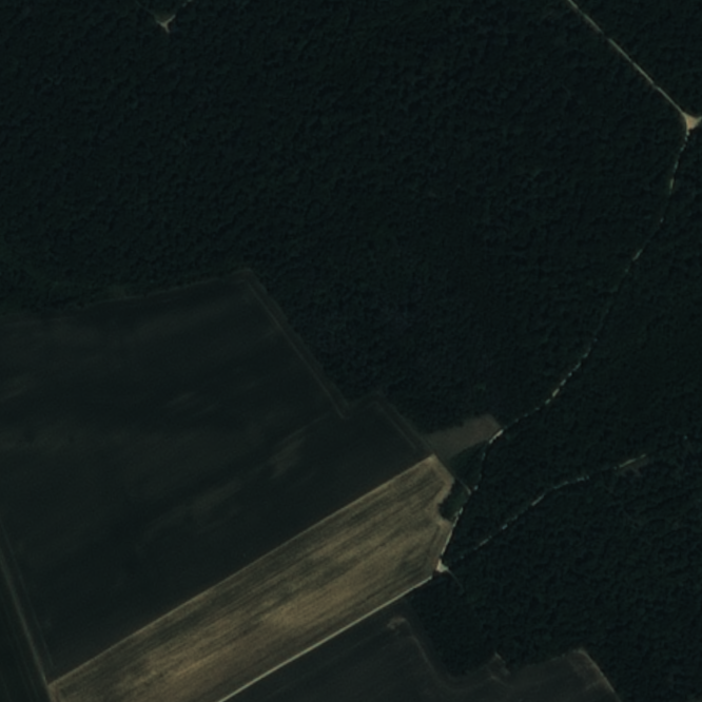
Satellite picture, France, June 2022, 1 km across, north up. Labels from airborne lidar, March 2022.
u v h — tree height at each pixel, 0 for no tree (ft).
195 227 48
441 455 0
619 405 36
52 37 60
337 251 71
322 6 74
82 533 0
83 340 0
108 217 50
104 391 0
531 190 60
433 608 51
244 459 0
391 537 0
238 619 0
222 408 0
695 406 45
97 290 32
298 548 0
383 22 30
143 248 56
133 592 0
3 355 0
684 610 66
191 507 0
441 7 28
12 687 0
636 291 55
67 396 0
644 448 52
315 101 52
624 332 55
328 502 0
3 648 0
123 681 0
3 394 0
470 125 61
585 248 61
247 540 0
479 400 49
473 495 32
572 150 76
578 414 55
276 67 58
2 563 0
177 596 0
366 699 0
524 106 62
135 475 0
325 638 0
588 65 64
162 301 0
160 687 0
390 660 0
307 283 23
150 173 58
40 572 0
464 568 51
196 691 0
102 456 0
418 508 0
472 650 46
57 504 0
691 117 0
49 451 0
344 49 42
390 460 0
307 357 0
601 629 60
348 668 0
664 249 35
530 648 53
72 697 0
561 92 66
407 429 0
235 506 0
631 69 58
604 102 74
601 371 36
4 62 71
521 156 69
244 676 0
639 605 53
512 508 55
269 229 50
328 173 53
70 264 52
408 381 42
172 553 0
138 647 0
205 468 0
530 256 64
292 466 0
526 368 62
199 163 60
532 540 61
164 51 63
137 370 0
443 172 65
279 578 0
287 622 0
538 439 31
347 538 0
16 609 0
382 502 0
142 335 0
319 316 53
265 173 60
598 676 0
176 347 0
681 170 31
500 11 82
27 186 58
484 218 27
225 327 0
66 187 55
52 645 0
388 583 0
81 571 0
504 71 65
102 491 0
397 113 78
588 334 55
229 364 0
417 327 60
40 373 0
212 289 0
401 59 69
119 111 55
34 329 0
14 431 0
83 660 0
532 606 63
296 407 0
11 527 0
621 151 65
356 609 0
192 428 0
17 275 42
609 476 60
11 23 58
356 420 0
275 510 0
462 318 52
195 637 0
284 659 0
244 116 59
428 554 0
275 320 0
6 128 59
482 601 62
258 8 65
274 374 0
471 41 59
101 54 64
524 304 56
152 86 63
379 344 56
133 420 0
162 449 0
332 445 0
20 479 0
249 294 0
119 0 63
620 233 67
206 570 0
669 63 61
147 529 0
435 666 0
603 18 69
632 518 64
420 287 62
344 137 62
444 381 55
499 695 0
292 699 0
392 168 37
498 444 31
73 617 0
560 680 0
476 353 44
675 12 60
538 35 69
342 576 0
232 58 62
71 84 63
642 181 70
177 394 0
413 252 58
